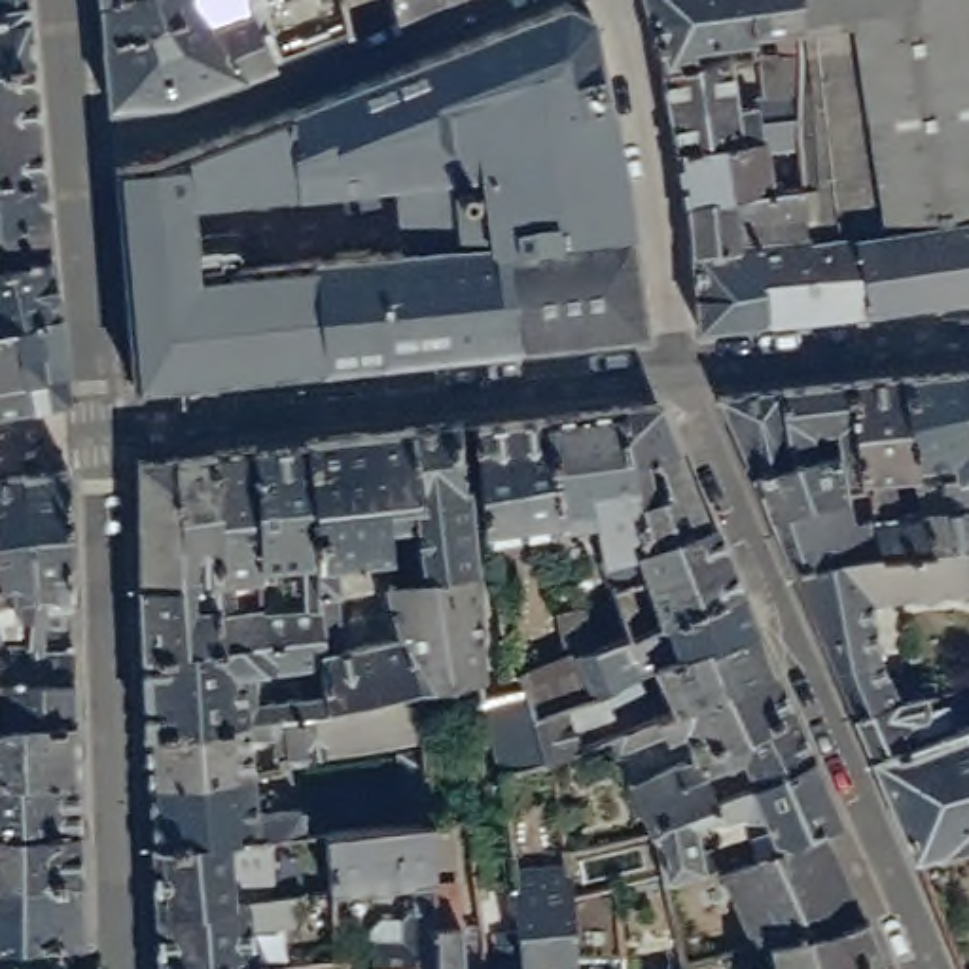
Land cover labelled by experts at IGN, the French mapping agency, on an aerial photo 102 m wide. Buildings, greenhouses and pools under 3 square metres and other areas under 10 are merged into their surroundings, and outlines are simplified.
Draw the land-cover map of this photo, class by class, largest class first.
<instances>
[{"label":"building","instance_id":"1","mask_svg":"<svg viewBox=\"0 0 969 969\"><path fill-rule=\"evenodd\" d=\"M356 11L348 0H341L337 26H326L310 38L276 42L265 38L261 23H250L246 0H102L98 26L106 83L95 95H106V110L114 121L182 114L269 83L280 76L284 64L307 53L356 42ZM454 11V0H397L394 19L401 26ZM594 0H572L549 4L534 19L511 23L503 30L462 42L447 53L424 57L413 68L390 72L375 83H360L352 91L276 114L269 121L235 129L227 136L193 144L163 159L121 167L117 182L125 185L132 318L140 352L132 405L163 397L201 401L235 390L390 379L462 367H500L503 375H519L522 363L568 356H587L594 367H625L632 356H643L655 333L647 329L636 257V204L621 136L625 110L613 106L617 76H606L602 64V42L590 23ZM386 197L397 201V223L405 227L390 246L394 254H341L329 261H280L254 269L238 254H204L201 246V216L307 204L375 208ZM651 15H659L662 68L670 87L666 114L674 136L678 144H704V159H693L681 170L689 212V257L696 280V288L681 295L696 318V329H685L689 344L712 352L723 337H753L761 344L768 326H799L802 333H810L825 326H874L893 318L969 310V0H640ZM57 273H64V238L61 185L53 174L42 11L26 4V11H8L0 19V424L42 420L49 409L68 401L76 352L87 329L79 326L72 288L64 280L57 284ZM734 409L723 420L734 454L749 466L757 500L776 519L784 560L791 564L795 590L825 643L829 670L844 696L848 719L855 723V742L863 746L874 768L878 791L897 795V814L908 833V871L969 863V689L958 693L950 712L935 708L931 700L905 704L890 678V659L882 655V651H878V628H874V613H878V609H893V613H969V371L734 394L727 397ZM140 583L129 590V598L140 606L151 818L178 821L182 837L204 844L201 855H167L140 848V859H151L155 867L159 969H352L348 961H295L291 954H288V901H238L246 886L254 890L276 882V859L310 852L314 840L329 844L333 890L322 893V927H329L352 924L360 916L371 939L382 943V969H579V946H590V931H575V897L583 893V886L568 874L564 859L549 848L522 855L519 897L496 901L492 890H485L477 897V874L462 859L458 825L439 829L333 844L329 837L310 833L307 814L299 810H261V784L291 780L295 772L318 768L326 761L416 746V731L409 712L424 700L473 693L481 704V712L496 715V742L488 753L507 772H568L583 765V731L572 727V708L598 704L628 685L643 693L647 681H659L670 704V719L598 746L594 761L617 768L621 780L628 799V821L643 825L640 840L651 852L655 874L678 878L712 871L704 852L708 837H719L723 844L749 840L757 863L719 874L731 897L727 912L738 916L746 939L772 958V969H908V961L893 958L890 943L882 939V924L863 920L859 905L848 893V874L840 871L837 855L829 848H818V837L840 833L833 795L814 772V757H806L802 723L780 715L784 696L772 681L749 606L742 598L719 602V590H731L738 579L727 560L704 564L708 549H723V537L712 526L719 519V500H708L700 492L696 466L678 450L666 416L651 397L647 405H609L602 413L507 420L481 428L439 420L432 428L310 439L295 443L291 450L238 447L204 458H170L140 466ZM602 537V560L613 575L598 583L590 590V609L568 606V613H553V636L572 632V651L579 659H560L534 674L522 670L519 693L503 689L500 674H488L492 598L481 587V568L488 564L492 549L507 553L519 549L564 545L572 537ZM405 537L420 541L424 575L420 590H390L386 606L394 609L397 636L352 647L348 655H333L329 628L341 625V606L352 598H371L375 575L397 568V541ZM738 772L749 780L780 776L784 787L719 802L712 784ZM72 488L64 466L57 473L0 481V961H68L91 954L83 946V844L76 837L79 814L57 818V806L79 802L72 742L64 738L76 727L68 647H91V621L87 602H79L76 609L64 602L72 583Z\"/></svg>","mask_w":969,"mask_h":969},{"label":"impervious surface","instance_id":"2","mask_svg":"<svg viewBox=\"0 0 969 969\"><path fill-rule=\"evenodd\" d=\"M26 4L42 11L53 174L61 185L64 238V273H57V284L64 280L72 288L79 326L87 329L76 352L68 401L49 409L42 420L0 424V481L57 473L64 466L72 488V583L64 602L76 609L79 602H87L91 621V647H68L76 727L64 738L72 742L79 802L57 806V818L79 814L76 837L83 844V946L91 954L68 961H0V969H159L155 867L151 859H140V848L167 855H201L204 844L182 837L178 821L151 818L140 606L129 598V590L140 583V466L170 458H204L238 447L291 450L295 443L310 439L432 428L439 420L481 428L507 420L602 413L609 405H647L651 397L666 416L678 450L696 466L700 492L708 500H719V519L712 526L723 537V549H708L704 564L727 560L738 579L731 590H719V602L742 598L749 606L772 681L784 696L780 715L802 723L806 757H814V772L833 795L840 833L818 837V848H829L837 855L840 871L848 874V893L859 905L863 920L882 924V939L890 943L893 958L908 961V969H965L954 958L946 961L939 931L912 890L908 871V833L897 814V795L878 791L874 768L863 746L855 742V723L848 719L844 696L829 670L825 643L795 590L791 564L784 560L776 519L757 500L749 466L734 454L723 420L734 409L727 397L734 394L969 371V310L893 318L874 326H825L810 333H802L799 326H768L761 344L753 337H723L712 352L689 344L685 329H696V318L681 295L696 288V280L689 257V212L681 170L693 159H704V144H678L674 136L666 114L670 87L662 68L659 15H651L640 0H594L590 23L602 42V64L606 76H617L613 106L625 110L621 136L636 204V257L647 329L655 333L643 356H632L625 367H594L587 356H568L522 363L519 375H503L500 367H462L390 379L235 390L201 401L163 397L132 405L140 352L132 318L125 185L117 182L121 167L163 159L193 144L227 136L235 129L269 121L276 114L352 91L360 83H375L390 72L413 68L424 57L447 53L462 42L503 30L511 23L534 19L549 4L572 0H454V11L401 26L394 19L397 0H348L356 11V42L307 53L284 64L280 76L269 83L182 114L114 121L106 110V95H95L106 83L98 26L102 0H0V19L8 11H26ZM250 23H261L265 38L276 42L310 38L326 26H337L341 0H246ZM405 227L397 223V201L386 197L375 208L307 204L201 216V246L204 254H238L254 269L280 261H329L341 254H394L390 246ZM564 553L594 560L598 583L613 575L602 560V537H572L564 545ZM424 575L420 541L405 537L397 541V568L375 575L371 598H352L341 606V625L329 628L333 655H348L352 647L397 636L394 609L386 606L390 590H420ZM874 628H878V651H882V655L890 659L897 655V613H893V609H878V613H874ZM670 719V704L659 681H647L643 693L628 685L598 704L572 708V727L583 731V765L594 761L598 746ZM481 704L473 693L424 700L409 712L416 731L443 712ZM443 799L432 795L424 780V753L416 746L326 761L318 768L295 772L291 780L261 784V810H299L307 814L310 833L329 837L333 844L439 829L435 821ZM784 787L780 776L749 780L738 772L712 784L719 802ZM643 825L628 821L617 829L590 833V848H579L564 859L568 874L583 886V893L609 890L613 882L590 874L587 867L617 855H636V867L625 871L621 882L632 886L655 878L659 897H670L678 890V878L655 874L651 852L640 840ZM704 852L712 871L719 874L757 863L749 840L723 844L719 837H708Z\"/></svg>","mask_w":969,"mask_h":969},{"label":"herbaceous vegetation","instance_id":"3","mask_svg":"<svg viewBox=\"0 0 969 969\"><path fill-rule=\"evenodd\" d=\"M522 583L519 632L534 640L522 670L534 674L560 659H579L572 651V632L553 636V613L545 609L537 575L519 549L507 553ZM946 628H969V613H897V655L890 659V678L905 704L931 700L935 708L950 712L958 693L935 689L920 662L935 659V647ZM572 795L587 799L590 833L617 829L628 821V799L621 780L602 776L590 784H575ZM549 848L541 810H530L511 829V852L522 855ZM333 890L329 844L314 840L310 852L276 859V882L254 890L246 886L238 901H288V946H291V943H307V939H318V931H322V893ZM912 890L939 931L946 961L954 958L965 969H969V931L946 927L943 886H961L969 897V863L908 871ZM647 897L651 924H643L636 912L617 920L609 912V890L583 893L575 897V931H590V946H579V969H772V958L746 939L738 916L727 912L731 897L719 874L712 871L678 878V890L670 897H659L655 878L632 886Z\"/></svg>","mask_w":969,"mask_h":969},{"label":"deciduous trees","instance_id":"4","mask_svg":"<svg viewBox=\"0 0 969 969\"><path fill-rule=\"evenodd\" d=\"M537 575L545 609L553 613H568V606L590 609V590L598 583L594 560L564 553V545L519 549ZM481 587L492 598L488 674H500L503 689L519 693L522 670L534 640L519 632L522 583L507 553L492 549L488 564L481 568ZM496 742V715L481 712V704L443 712L416 731V746L424 753V780L432 795L443 799L435 821L439 829L458 825L462 859L477 874V897L485 890H492L496 901L519 897L522 855L511 852V829L530 810H541L549 848L564 859L579 848H590V833L587 799L572 795L575 784H590L602 776L621 780L617 768L594 761L583 765L568 772H507L488 753ZM609 912L617 920L636 912L643 924H651L647 897L632 886L621 882H613L609 890ZM946 927L969 931V897L961 886H943ZM329 931H333V958H329V961H348L352 969H382V943L371 939L360 916L352 924L329 927Z\"/></svg>","mask_w":969,"mask_h":969},{"label":"coniferous trees","instance_id":"5","mask_svg":"<svg viewBox=\"0 0 969 969\"><path fill-rule=\"evenodd\" d=\"M935 689L958 693L969 689V628H946L935 647V659L920 662Z\"/></svg>","mask_w":969,"mask_h":969},{"label":"brushwood","instance_id":"6","mask_svg":"<svg viewBox=\"0 0 969 969\"><path fill-rule=\"evenodd\" d=\"M288 954H291L295 961H329V958H333V931H329V927H322V931H318V939H307V943H291V946H288Z\"/></svg>","mask_w":969,"mask_h":969},{"label":"swimming pool","instance_id":"7","mask_svg":"<svg viewBox=\"0 0 969 969\"><path fill-rule=\"evenodd\" d=\"M636 867V855H617L587 867L590 874L613 882H621L625 871Z\"/></svg>","mask_w":969,"mask_h":969}]
</instances>
